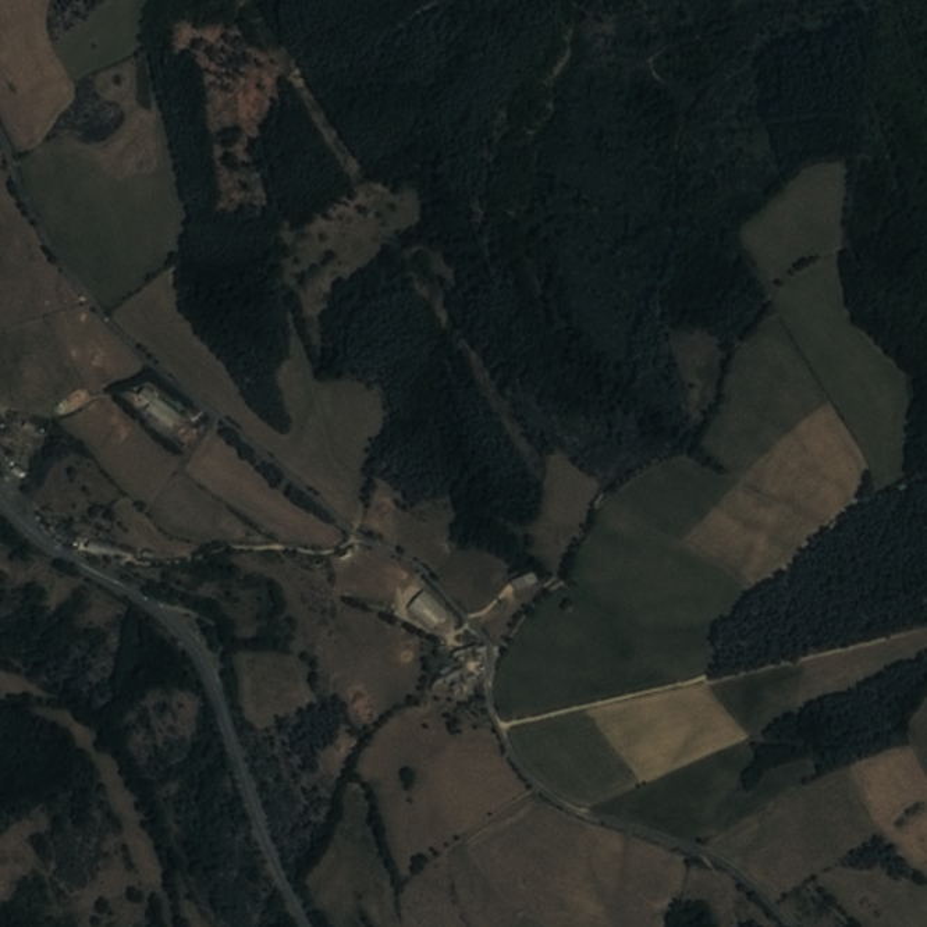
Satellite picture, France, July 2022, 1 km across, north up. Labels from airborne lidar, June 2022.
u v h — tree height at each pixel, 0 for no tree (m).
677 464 0
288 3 27
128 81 0
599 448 7
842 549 21
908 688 18
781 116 26
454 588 0
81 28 0
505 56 17
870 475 10
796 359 0
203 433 0
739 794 0
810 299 0
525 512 16
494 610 0
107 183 0
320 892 0
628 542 0
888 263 17
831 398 0
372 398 0
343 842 0
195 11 12
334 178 20
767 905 10
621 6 15
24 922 9
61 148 0
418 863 11
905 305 17
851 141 15
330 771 0
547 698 0
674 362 9
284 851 12
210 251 20
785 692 0
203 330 12
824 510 0
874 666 0
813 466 0
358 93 26
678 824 0
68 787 10
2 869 0
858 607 20
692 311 10
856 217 8
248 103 22
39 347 0
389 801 0
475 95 18
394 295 23
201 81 17
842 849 0
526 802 0
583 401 10
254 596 0
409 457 17
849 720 14
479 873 0
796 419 0
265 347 21
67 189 0
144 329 0
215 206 19
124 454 0
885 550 18
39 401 0
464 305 17
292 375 0
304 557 0
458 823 0
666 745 0
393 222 0
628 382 10
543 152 5
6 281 0
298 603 0
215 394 0
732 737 0
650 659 0
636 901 0
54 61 0
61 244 0
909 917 0
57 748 20
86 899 0
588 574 0
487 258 6
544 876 0
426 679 8
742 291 12
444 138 19
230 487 0
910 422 8
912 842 0
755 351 0
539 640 0
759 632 18
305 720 13
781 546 0
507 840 0
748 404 0
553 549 0
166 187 0
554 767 0
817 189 0
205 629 15
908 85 17
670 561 0
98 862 7
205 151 16
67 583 0
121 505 0
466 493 27
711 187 8
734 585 0
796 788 0
